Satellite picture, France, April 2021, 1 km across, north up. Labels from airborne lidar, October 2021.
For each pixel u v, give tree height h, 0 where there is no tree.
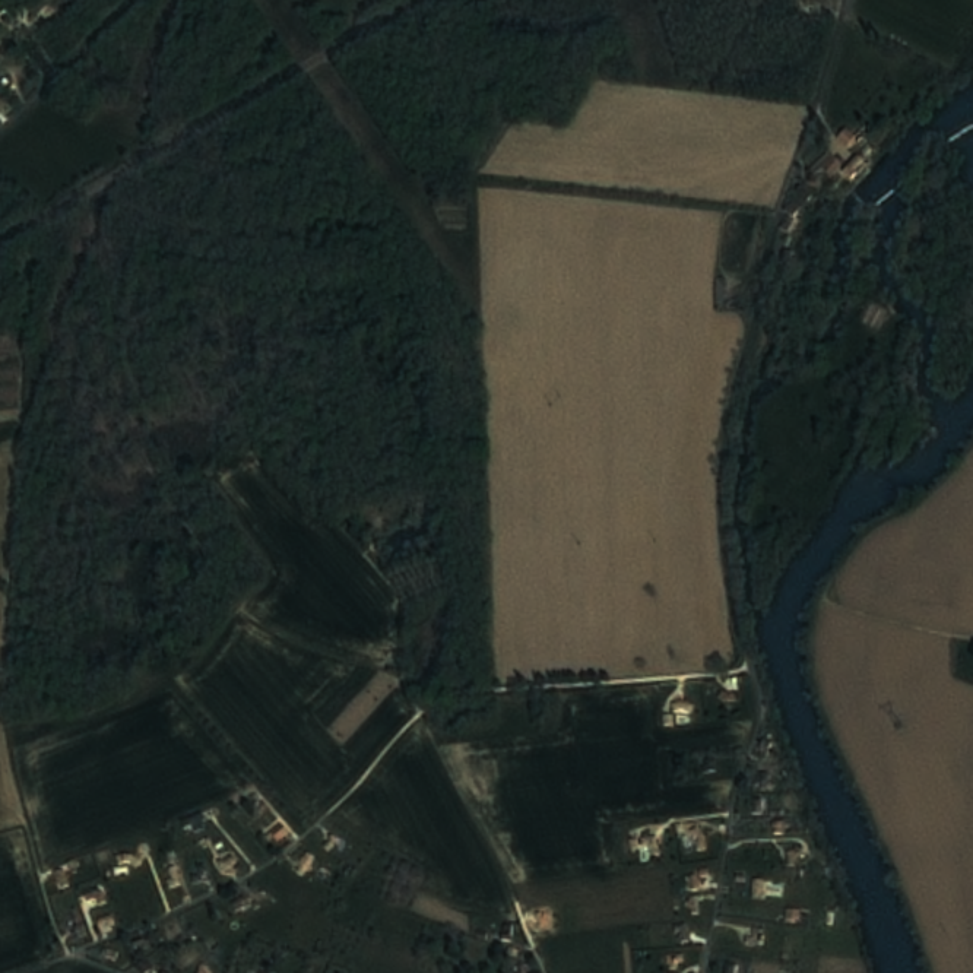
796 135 0
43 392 13
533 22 17
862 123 17
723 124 0
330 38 18
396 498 25
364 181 27
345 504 26
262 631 0
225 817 0
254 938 7
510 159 0
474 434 30
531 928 0
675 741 0
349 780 0
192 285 22
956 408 0
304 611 0
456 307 24
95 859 0
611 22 19
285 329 24
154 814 0
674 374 0
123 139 0
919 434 12
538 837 0
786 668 0
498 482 0
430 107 28
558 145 0
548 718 14
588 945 0
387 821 0
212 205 26
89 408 9
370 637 0
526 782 0
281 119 16
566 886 0
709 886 0
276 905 0
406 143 25
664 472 0
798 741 0
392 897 11
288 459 21
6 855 0
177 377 18
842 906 17
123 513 9
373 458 24
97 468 18
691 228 0
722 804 0
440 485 30
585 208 0
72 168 0
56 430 12
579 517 0
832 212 11
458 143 27
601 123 0
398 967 0
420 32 18
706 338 0
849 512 0
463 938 14
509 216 0
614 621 0
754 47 22
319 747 0
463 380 27
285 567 0
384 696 0
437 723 19
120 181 14
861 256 17
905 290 17
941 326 19
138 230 21
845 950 0
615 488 0
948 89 21
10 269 25
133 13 21
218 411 17
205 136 24
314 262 23
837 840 0
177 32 20
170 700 0
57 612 17
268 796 9
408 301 15
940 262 18
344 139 29
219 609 23
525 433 0
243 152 24
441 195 21
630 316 0
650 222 0
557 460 0
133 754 0
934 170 11
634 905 0
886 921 0
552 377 0
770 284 21
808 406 11
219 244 14
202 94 23
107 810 0
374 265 24
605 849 0
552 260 0
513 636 0
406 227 23
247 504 0
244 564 17
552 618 0
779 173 0
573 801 0
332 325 7
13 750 0
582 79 27
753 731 0
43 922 0
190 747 0
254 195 26
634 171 0
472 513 32
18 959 0
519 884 0
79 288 16
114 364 21
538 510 0
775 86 24
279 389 22
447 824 0
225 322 16
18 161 0
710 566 0
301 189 28
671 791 0
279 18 0
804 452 0
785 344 31
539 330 0
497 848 0
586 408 0
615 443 0
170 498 18
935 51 0
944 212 25
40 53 12
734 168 0
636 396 0
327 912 8
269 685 0
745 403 12
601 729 0
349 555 0
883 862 8
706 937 0
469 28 29
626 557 0
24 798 0
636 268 0
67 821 0
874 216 19
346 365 25
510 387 0
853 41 0
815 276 24
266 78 18
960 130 0
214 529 24
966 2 0
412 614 22
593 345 0
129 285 29
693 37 23
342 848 0
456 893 0
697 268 0
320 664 0
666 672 0
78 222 19
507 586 0
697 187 0
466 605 28
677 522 0
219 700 0
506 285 0
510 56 27
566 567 0
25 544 21
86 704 21
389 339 29
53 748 0
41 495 21
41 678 26
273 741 0
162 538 8
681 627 0
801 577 0
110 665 22
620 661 0
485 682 22
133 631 6
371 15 20
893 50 14
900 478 0
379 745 0
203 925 0
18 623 12
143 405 22
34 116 0
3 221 16
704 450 0
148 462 10
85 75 6
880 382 18
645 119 0
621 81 20
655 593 13
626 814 0
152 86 12
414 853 0
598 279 0
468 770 0
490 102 30
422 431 17
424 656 7
